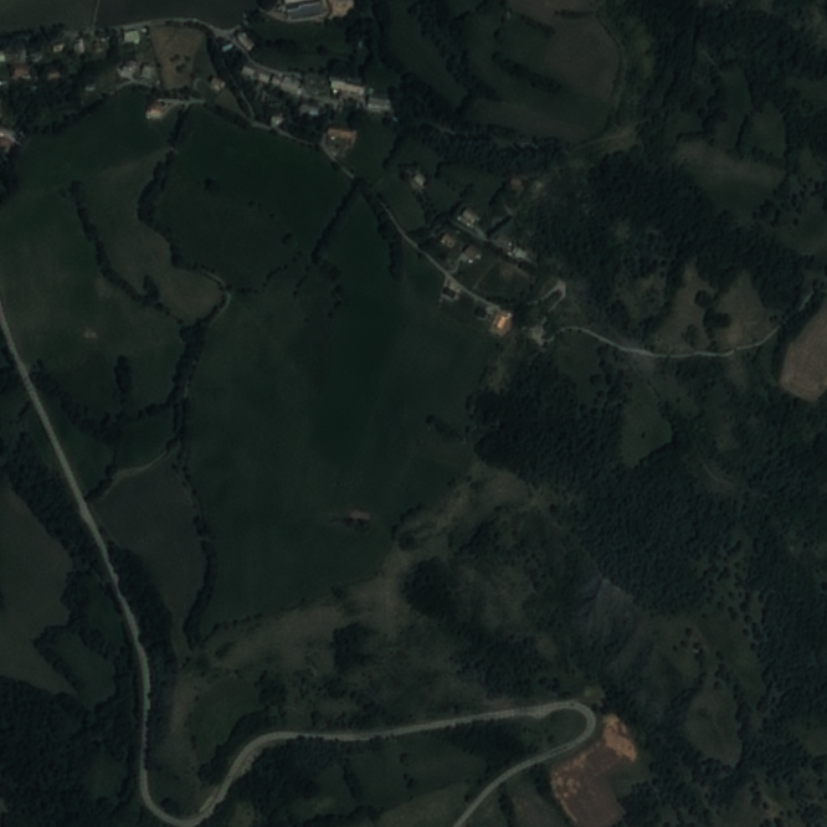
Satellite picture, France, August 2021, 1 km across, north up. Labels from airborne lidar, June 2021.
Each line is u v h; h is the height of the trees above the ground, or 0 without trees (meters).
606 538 19
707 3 7
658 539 14
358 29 14
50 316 0
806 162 0
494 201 9
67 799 27
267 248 0
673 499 18
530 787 0
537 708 0
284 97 14
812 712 9
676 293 6
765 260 13
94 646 15
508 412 25
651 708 0
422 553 0
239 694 0
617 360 8
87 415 20
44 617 0
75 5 0
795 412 10
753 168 0
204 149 0
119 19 0
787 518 7
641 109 8
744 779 13
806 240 0
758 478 12
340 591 7
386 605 0
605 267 17
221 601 0
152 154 0
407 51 0
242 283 0
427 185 6
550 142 8
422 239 12
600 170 9
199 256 0
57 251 0
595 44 0
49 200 0
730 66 13
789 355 0
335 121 7
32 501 19
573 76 0
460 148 26
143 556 0
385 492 0
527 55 0
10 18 0
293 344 0
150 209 14
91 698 0
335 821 13
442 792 0
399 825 0
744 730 10
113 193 0
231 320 0
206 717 0
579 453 22
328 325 0
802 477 10
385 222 14
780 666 15
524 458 23
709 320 14
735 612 10
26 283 0
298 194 0
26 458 8
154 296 10
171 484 0
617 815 0
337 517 0
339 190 0
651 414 0
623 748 0
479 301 0
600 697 0
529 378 10
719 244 22
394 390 0
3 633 0
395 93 18
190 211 0
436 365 0
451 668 0
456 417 0
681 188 18
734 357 0
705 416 9
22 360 0
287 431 0
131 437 0
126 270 0
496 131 13
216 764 8
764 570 7
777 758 6
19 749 16
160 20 0
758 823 0
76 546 7
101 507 0
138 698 12
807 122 13
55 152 0
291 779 23
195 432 0
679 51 21
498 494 0
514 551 9
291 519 0
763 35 13
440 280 0
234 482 0
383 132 0
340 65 18
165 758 0
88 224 11
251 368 0
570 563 7
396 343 0
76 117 11
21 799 14
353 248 0
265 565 0
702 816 7
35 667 0
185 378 15
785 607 13
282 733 0
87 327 0
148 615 14
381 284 0
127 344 0
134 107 0
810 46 9
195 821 0
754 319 0
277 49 10
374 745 12
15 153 18
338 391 0
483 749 13
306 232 0
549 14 0
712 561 9
